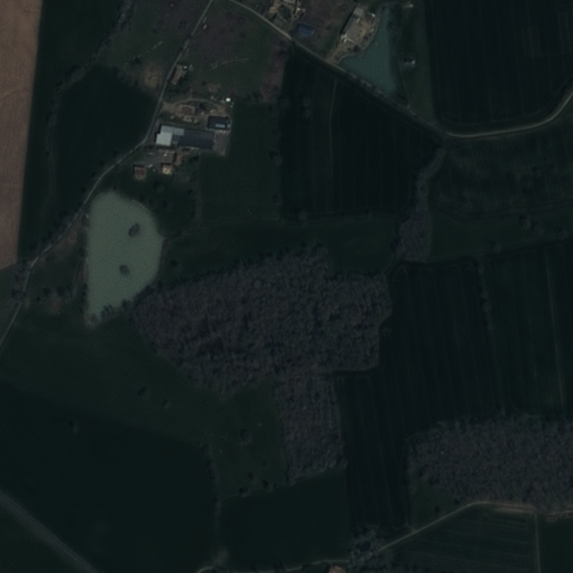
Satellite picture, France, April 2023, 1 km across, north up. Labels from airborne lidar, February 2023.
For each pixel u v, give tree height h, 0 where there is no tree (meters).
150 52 0
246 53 0
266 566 0
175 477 0
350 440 0
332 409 12
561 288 0
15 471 0
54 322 0
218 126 0
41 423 0
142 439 0
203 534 0
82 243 0
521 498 21
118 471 0
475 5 0
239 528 0
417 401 0
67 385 0
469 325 0
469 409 0
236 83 0
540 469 23
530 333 0
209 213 0
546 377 0
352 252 0
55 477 0
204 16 0
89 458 0
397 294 0
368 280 12
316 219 0
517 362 0
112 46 13
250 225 0
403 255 14
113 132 0
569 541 0
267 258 14
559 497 15
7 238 0
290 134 0
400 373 0
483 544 0
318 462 7
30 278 0
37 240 0
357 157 0
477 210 0
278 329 23
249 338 18
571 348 0
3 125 0
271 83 0
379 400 0
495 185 0
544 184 0
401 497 0
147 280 0
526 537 0
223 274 12
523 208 0
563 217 0
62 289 0
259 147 0
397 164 0
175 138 0
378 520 0
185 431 0
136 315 15
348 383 0
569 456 26
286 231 0
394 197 0
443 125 0
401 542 0
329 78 0
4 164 0
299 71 0
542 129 0
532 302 0
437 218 0
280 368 10
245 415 0
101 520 0
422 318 0
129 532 0
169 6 0
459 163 0
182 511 0
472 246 0
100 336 0
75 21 0
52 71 0
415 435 0
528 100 0
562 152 0
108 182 0
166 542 0
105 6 0
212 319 22
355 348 21
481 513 0
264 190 0
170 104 0
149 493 0
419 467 24
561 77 0
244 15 0
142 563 0
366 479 0
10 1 0
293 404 10
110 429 0
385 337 0
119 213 0
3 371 0
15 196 0
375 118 0
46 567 0
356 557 9
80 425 0
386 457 0
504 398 0
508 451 23
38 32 0
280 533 0
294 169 0
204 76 0
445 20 0
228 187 0
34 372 0
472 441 24
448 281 0
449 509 0
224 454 0
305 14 0
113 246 0
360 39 0
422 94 0
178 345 8
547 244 0
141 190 0
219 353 19
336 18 0
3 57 0
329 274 7
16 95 0
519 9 0
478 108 0
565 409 0
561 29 0
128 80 14
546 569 0
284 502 0
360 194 0
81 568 0
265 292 17
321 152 0
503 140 0
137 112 0
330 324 17
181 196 0
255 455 0
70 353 0
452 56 0
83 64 0
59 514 0
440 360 0
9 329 0
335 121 0
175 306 20
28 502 0
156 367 0
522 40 0
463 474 22
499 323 0
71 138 0
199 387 16
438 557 0
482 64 0
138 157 0
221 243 0
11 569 0
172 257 0
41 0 0
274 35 0
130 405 0
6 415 0
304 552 0
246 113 0
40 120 0
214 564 0
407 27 0
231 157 0
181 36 0
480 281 0
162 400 0
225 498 0
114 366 0
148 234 0
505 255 0
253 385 12
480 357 0
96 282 0
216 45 0
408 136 0
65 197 0
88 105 0
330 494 0
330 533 0
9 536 0
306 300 18
